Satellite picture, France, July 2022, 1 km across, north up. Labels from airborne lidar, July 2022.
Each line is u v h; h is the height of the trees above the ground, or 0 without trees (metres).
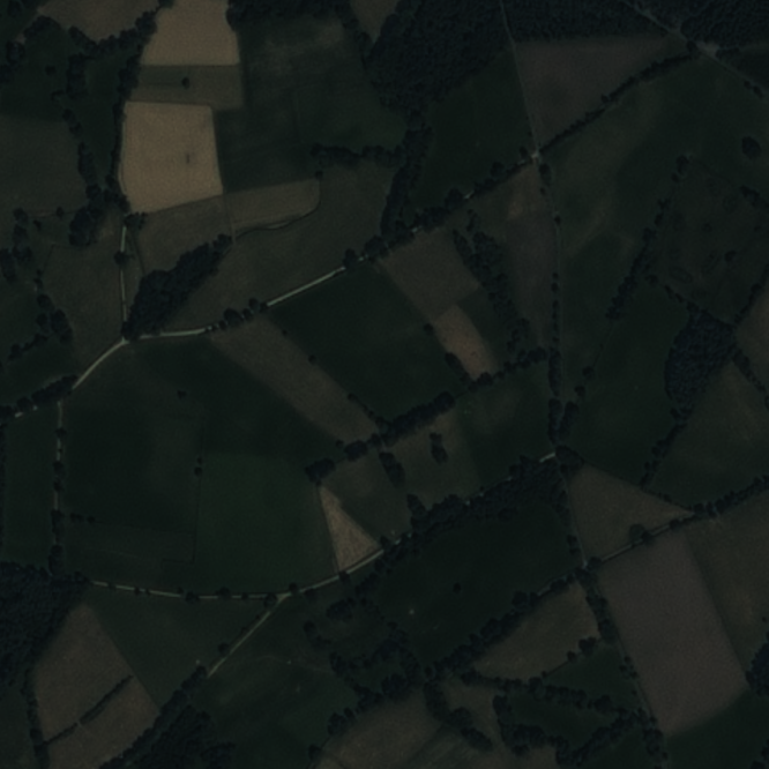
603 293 0
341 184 0
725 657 0
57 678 0
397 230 18
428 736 0
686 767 0
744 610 0
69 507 0
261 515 0
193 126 0
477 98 0
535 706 0
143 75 0
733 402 0
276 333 0
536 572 0
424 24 21
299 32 0
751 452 0
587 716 0
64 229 0
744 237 0
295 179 0
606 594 0
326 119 0
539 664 0
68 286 0
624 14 18
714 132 0
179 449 0
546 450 0
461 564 0
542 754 0
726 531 0
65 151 0
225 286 0
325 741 0
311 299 0
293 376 0
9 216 0
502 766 0
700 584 0
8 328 0
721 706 0
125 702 0
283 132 0
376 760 0
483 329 0
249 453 0
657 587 0
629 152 0
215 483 0
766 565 0
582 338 0
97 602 0
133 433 0
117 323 0
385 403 0
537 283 0
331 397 0
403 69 23
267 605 13
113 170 9
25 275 0
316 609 0
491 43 21
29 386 0
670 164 0
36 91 0
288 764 0
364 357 0
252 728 0
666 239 0
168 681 0
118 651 0
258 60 0
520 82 0
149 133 0
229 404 0
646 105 0
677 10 13
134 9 0
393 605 0
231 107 0
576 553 14
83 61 18
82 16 0
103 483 0
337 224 0
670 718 0
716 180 0
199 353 0
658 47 0
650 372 0
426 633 0
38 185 0
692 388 28
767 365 0
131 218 9
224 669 0
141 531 0
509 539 0
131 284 0
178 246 0
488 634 18
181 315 0
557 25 19
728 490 0
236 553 0
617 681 0
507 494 16
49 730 0
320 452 0
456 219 0
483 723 0
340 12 19
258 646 0
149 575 0
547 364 0
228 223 0
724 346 29
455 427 0
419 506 22
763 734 0
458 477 0
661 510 0
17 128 0
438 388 0
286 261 0
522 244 0
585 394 7
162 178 0
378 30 0
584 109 0
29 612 25
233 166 0
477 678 21
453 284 0
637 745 0
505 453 0
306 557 0
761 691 18
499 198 0
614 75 0
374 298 0
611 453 0
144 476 0
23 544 0
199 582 0
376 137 0
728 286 0
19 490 0
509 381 0
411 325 0
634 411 0
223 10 0
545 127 0
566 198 0
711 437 0
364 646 0
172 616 0
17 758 0
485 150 0
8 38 0
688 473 0
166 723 13
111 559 0
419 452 0
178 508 0
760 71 0
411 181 21
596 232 0
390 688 20
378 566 13
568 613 0
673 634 0
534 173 0
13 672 21
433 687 8
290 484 0
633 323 0
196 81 0
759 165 0
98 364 0
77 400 0
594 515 0
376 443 17
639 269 14
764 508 0
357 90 0
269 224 0
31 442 0
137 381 0
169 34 0
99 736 0
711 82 0
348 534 0
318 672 0
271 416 0
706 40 16
